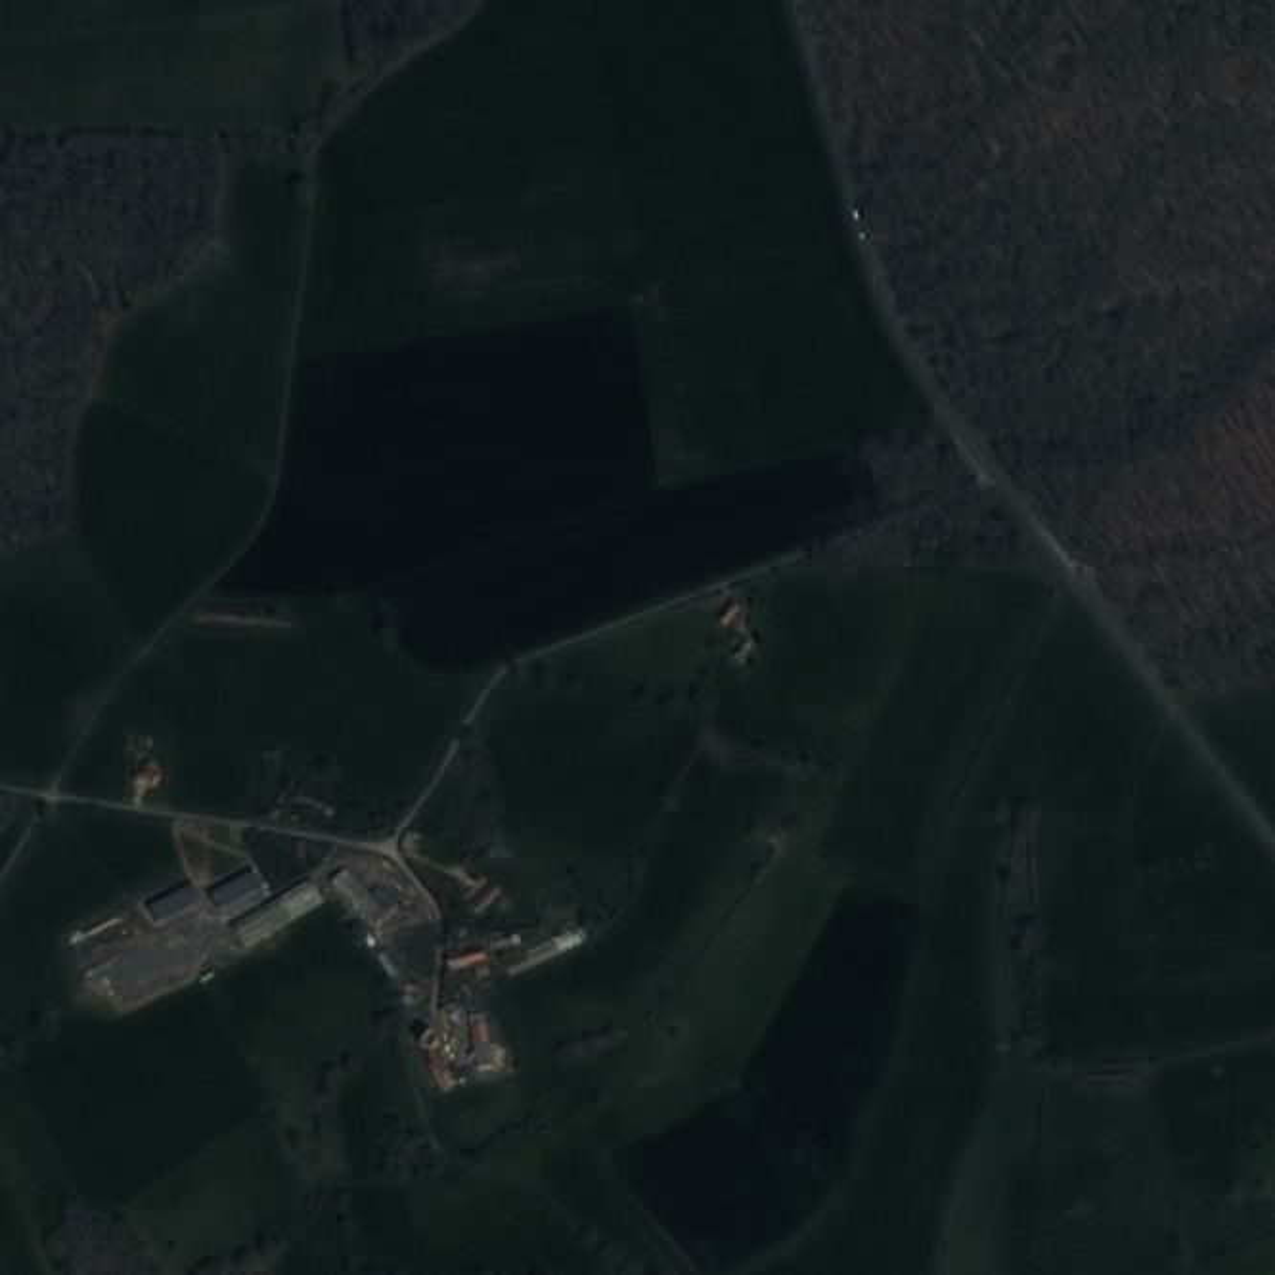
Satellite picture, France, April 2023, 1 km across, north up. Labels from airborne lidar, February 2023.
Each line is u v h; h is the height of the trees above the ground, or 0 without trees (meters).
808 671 0
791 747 0
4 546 14
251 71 0
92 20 0
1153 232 22
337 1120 0
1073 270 22
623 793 0
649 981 0
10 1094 0
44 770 0
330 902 0
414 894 0
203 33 0
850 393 0
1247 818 0
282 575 0
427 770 0
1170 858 0
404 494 0
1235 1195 12
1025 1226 0
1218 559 25
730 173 0
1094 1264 0
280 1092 0
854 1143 0
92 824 0
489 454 0
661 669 0
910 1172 0
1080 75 24
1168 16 23
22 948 0
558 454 0
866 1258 0
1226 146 14
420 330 0
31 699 0
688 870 0
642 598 0
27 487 18
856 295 0
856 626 0
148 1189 0
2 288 21
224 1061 0
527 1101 0
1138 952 0
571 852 0
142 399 0
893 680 0
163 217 21
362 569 0
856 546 20
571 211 0
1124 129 25
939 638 0
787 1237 0
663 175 0
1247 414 25
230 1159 0
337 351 0
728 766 0
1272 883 0
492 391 0
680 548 0
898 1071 0
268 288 0
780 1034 0
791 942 0
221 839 0
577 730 0
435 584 0
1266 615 28
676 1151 0
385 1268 0
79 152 16
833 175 0
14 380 21
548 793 0
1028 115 24
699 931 0
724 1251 0
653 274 0
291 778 7
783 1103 0
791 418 0
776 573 8
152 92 0
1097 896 0
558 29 0
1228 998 0
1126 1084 0
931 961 0
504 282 0
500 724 0
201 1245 0
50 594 0
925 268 18
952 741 0
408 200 0
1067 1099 0
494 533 0
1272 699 0
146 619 0
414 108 0
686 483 0
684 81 0
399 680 0
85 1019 0
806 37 0
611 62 0
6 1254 0
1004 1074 0
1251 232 22
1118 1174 0
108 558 0
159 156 16
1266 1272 0
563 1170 0
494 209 0
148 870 0
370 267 0
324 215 0
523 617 0
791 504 0
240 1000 0
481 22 0
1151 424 23
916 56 22
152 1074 0
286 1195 0
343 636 0
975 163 23
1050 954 0
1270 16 26
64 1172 0
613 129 0
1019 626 0
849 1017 0
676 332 0
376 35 19
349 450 0
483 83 0
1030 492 23
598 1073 0
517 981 0
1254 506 25
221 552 0
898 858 0
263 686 0
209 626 0
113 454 0
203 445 0
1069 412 25
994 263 24
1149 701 0
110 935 0
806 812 0
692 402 0
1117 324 15
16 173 19
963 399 23
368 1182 0
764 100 0
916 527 23
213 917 0
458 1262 0
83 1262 15
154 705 0
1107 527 22
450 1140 0
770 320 0
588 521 0
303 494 0
